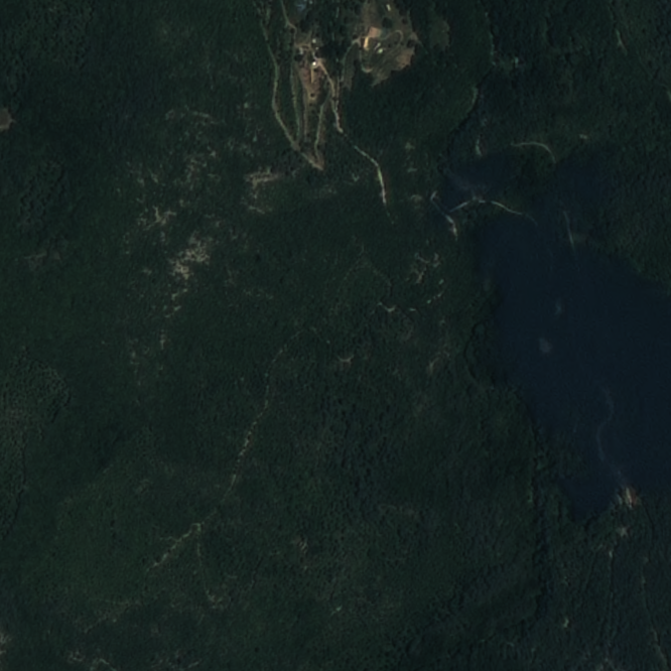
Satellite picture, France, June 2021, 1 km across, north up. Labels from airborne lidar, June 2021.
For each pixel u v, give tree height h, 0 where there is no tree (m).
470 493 15
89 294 8
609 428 7
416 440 11
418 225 8
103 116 14
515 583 12
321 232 10
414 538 14
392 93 12
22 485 8
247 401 6
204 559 10
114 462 10
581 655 13
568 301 14
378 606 10
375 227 10
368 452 9
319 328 8
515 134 12
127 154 7
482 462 17
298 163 8
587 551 15
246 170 8
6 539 12
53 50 9
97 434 10
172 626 7
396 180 10
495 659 12
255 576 8
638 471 12
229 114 6
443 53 11
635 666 6
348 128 10
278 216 8
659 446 6
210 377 11
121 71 12
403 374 10
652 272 10
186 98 8
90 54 14
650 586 10
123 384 7
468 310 20
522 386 14
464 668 13
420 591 6
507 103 17
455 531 7
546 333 9
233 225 9
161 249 6
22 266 8
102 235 6
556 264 7
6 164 11
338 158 10
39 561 9
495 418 12
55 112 14
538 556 23
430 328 10
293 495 6
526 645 9
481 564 9
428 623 6
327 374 7
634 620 10
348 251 6
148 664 7
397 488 11
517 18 16
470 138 13
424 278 10
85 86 13
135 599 9
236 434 12
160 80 10
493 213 8
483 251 15
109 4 8
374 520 15
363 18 0
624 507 8
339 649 6
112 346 7
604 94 9
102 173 11
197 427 6
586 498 16
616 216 10
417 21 12
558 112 9
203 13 10
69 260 9
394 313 9
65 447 11
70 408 14
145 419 10
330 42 6
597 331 6
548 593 25
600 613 11
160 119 5
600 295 12
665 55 9
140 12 9
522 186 14
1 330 13
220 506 8
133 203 5
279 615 6
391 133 9
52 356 10
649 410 8
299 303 6
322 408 10
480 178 8
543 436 22
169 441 11
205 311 9
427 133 8
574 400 13
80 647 6
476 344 17
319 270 5
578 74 9
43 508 11
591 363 10
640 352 11
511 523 14
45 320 10
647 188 12
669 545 7
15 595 9
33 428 7
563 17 14
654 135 9
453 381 17
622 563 9
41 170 10
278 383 9
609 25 11
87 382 9
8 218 11
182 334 8
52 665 11
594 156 12
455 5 15
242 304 8
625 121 8
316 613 7
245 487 10
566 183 9
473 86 10
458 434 13
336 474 10
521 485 20
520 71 15
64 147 11
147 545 10
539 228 8
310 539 13
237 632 7
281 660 8
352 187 7
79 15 11
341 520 10
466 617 16
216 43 7
